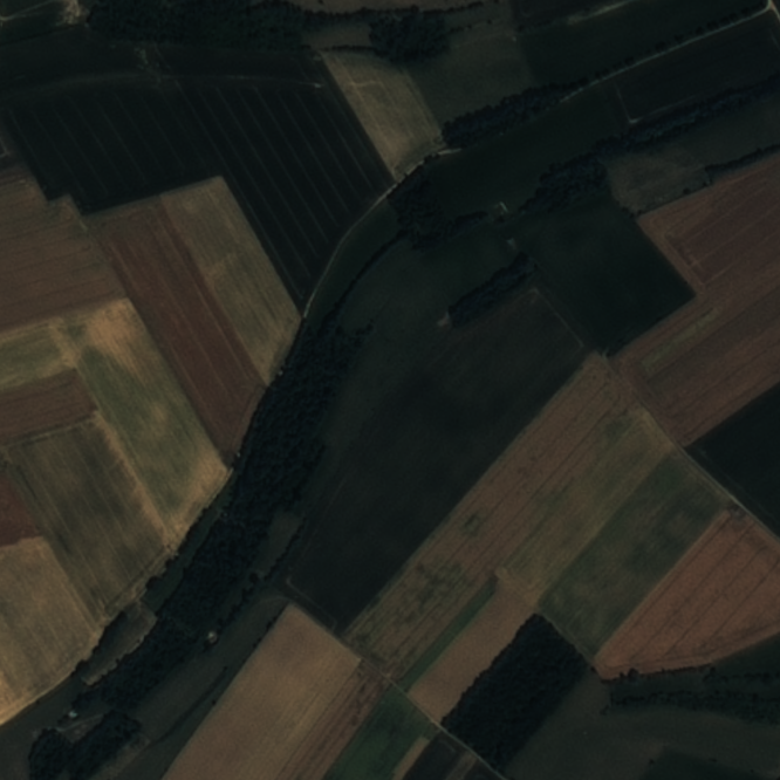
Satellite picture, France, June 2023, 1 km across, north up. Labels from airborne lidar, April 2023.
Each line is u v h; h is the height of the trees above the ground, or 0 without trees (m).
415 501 0
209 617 11
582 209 0
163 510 0
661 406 0
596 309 0
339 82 0
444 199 0
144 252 0
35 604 0
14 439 0
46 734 9
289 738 0
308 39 0
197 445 0
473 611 0
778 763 0
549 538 0
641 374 0
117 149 0
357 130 0
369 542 0
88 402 0
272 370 0
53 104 0
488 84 0
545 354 0
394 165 0
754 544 0
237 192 0
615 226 0
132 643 0
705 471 0
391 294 0
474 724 12
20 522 0
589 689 0
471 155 0
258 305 0
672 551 0
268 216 0
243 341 0
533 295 0
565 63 0
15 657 0
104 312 0
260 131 0
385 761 0
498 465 0
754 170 0
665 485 0
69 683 0
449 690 0
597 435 0
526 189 0
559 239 0
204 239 0
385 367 0
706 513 0
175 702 0
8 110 0
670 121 14
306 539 0
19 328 0
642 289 0
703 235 0
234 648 0
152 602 0
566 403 0
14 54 0
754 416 0
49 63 0
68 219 0
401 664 0
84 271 0
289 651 0
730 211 0
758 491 0
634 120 0
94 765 9
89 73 0
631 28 0
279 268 0
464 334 0
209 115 0
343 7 0
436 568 0
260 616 0
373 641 0
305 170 0
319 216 0
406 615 0
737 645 0
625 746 0
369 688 0
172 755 0
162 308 0
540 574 0
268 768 0
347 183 0
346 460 0
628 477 0
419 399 0
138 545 0
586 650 0
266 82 0
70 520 0
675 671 7
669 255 0
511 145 0
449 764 0
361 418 0
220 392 0
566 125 0
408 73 0
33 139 0
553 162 0
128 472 0
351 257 0
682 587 0
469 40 0
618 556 0
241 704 0
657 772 0
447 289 0
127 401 0
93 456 0
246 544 21
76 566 0
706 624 0
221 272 0
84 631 0
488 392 0
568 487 0
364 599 0
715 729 0
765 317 0
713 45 0
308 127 0
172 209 0
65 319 0
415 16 16
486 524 0
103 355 0
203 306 0
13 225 0
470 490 0
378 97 0
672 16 0
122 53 0
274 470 22
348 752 0
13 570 0
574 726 0
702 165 0
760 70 0
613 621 0
